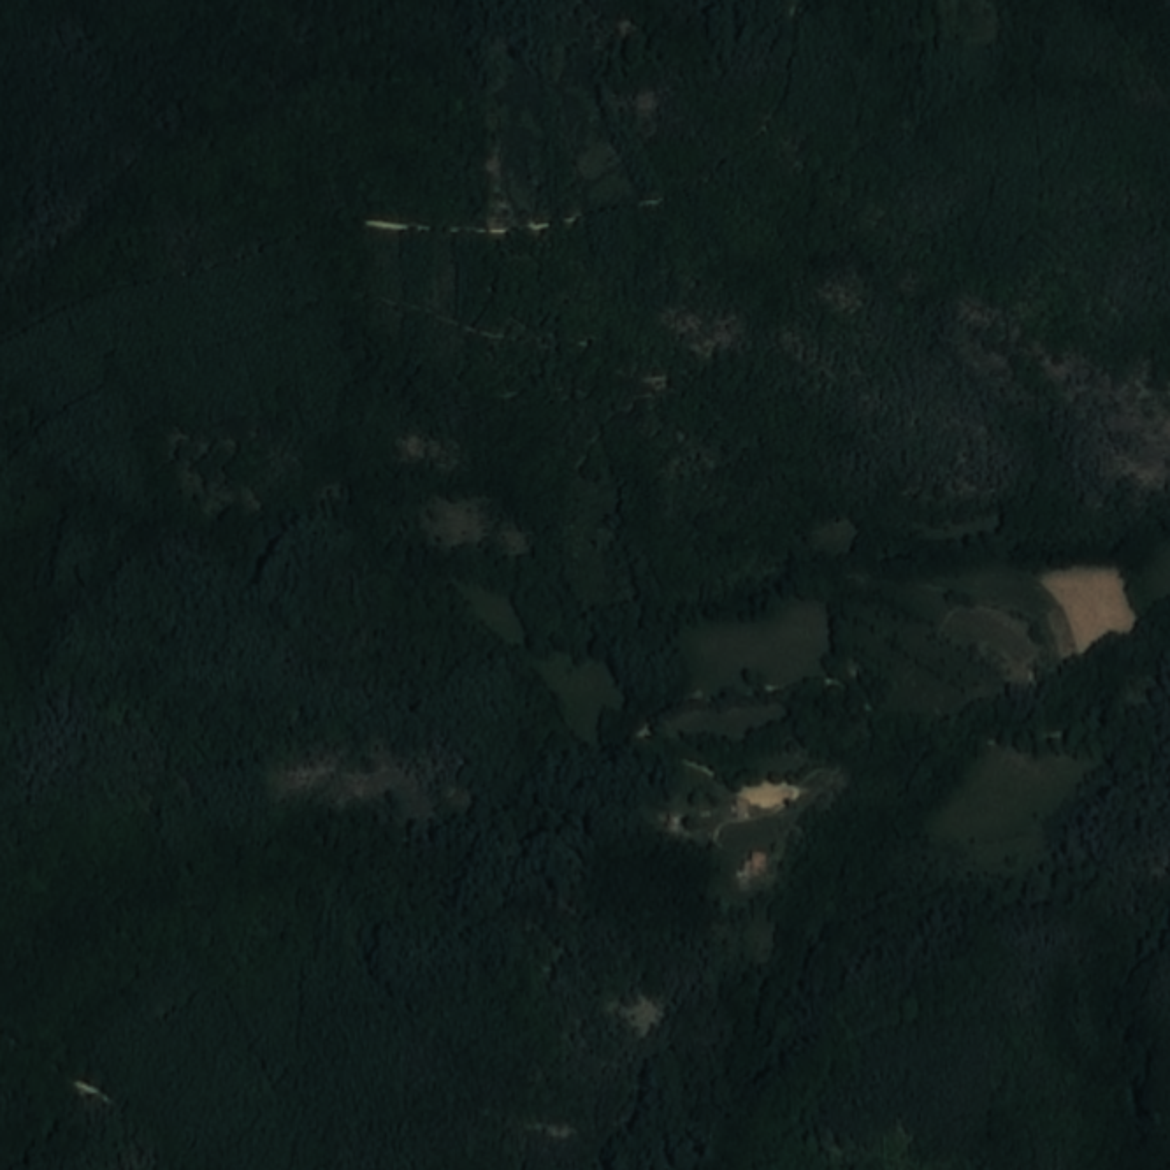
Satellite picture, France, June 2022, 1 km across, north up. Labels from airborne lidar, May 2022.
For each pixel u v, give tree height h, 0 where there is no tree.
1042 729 18
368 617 12
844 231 13
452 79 17
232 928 12
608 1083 9
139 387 19
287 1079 16
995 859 0
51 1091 13
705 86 15
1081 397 7
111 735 17
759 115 13
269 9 16
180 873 30
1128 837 15
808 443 17
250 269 18
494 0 23
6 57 17
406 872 17
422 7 18
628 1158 24
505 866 36
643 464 14
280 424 9
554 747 17
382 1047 15
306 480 9
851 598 9
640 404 11
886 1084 8
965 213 12
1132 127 14
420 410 18
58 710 20
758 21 30
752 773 14
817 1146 9
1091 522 20
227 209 16
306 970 18
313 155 13
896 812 17
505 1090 9
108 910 31
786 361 11
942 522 12
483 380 11
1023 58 16
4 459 18
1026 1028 16
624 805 31
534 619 20
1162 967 20
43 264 8
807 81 19
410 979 29
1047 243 12
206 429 12
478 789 20
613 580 5
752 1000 12
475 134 16
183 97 18
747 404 17
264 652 27
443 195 12
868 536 17
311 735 12
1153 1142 26
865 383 8
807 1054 22
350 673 16
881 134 7
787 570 14
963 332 9
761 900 11
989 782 0
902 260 11
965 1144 10
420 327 13
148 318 19
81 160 16
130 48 18
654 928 14
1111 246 17
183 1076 15
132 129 16
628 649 24
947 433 11
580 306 15
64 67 15
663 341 11
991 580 0
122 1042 18
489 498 8
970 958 22
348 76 14
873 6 18
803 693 13
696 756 16
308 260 13
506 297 15
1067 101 20
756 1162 14
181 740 10
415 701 18
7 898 18
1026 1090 16
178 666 20
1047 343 8
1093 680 21
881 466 17
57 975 20
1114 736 19
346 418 17
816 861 13
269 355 16
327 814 14
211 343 17
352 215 14
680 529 10
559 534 15
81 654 27
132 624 22
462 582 11
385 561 18
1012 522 20
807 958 22
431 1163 11
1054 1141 19
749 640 0
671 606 29
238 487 11
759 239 12
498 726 25
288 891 21
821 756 13
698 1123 28
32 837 18
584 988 12
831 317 13
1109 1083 27
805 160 11
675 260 13
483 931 25
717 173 11
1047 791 0
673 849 14
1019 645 0
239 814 21
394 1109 16
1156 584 0
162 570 24
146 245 17
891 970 17
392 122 18
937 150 16
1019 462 11
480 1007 16
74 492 21
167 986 15
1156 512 17
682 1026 18
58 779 16
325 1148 12
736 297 14
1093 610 0
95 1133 16
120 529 24
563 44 25
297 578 32
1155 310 14
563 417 13
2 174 15
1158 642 25
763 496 10
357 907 19
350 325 15
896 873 8
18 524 11
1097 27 16
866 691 12
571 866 34
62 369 18
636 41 17
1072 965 16
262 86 13
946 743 17
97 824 18
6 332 10
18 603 11
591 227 19
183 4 18
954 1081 10
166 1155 19
